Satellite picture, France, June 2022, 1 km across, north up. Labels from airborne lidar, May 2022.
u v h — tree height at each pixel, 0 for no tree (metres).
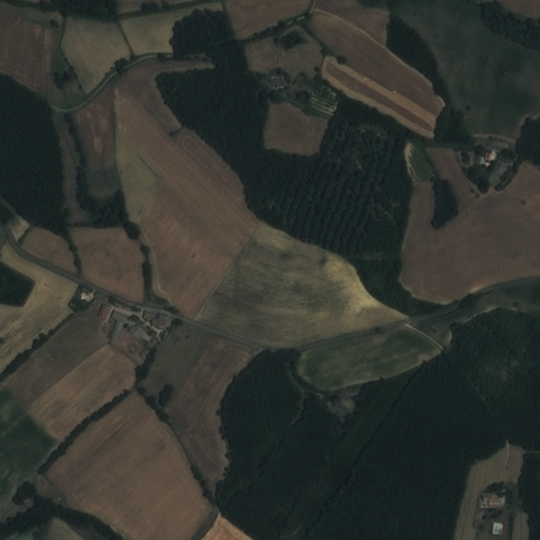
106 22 0
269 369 16
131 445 0
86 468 0
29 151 18
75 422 0
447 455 19
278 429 14
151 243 0
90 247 0
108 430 0
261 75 19
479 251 0
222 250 0
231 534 0
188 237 0
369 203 18
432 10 0
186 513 0
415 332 0
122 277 0
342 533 16
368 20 0
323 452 17
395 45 9
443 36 0
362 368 0
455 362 11
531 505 18
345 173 22
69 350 0
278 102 14
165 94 14
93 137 0
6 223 13
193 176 0
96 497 0
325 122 0
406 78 0
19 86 19
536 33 11
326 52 7
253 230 0
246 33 0
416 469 16
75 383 0
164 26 0
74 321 0
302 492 13
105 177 0
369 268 10
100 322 0
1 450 0
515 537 0
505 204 0
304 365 0
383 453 18
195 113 13
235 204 0
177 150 0
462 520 0
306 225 15
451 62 0
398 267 15
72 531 0
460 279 0
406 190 13
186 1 0
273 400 14
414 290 0
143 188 0
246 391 17
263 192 13
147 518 0
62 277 0
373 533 16
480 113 0
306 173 18
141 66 0
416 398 15
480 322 12
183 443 0
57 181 21
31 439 0
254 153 14
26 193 19
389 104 0
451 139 6
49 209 22
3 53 0
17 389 0
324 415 22
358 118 10
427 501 14
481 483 0
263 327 0
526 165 0
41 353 0
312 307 0
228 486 15
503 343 15
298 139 0
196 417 0
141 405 0
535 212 0
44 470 14
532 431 15
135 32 0
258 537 12
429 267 0
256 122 16
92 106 0
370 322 0
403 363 0
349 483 18
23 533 20
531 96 0
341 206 20
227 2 0
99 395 0
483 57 0
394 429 18
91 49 0
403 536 14
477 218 0
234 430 13
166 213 0
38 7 7
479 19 0
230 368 0
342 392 10
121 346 0
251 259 0
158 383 0
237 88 14
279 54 0
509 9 0
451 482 16
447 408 16
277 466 15
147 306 0
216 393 0
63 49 0
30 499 14
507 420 14
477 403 16
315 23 0
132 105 0
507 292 0
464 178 0
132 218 0
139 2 0
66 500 0
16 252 0
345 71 0
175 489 0
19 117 17
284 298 0
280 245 0
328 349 0
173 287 0
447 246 0
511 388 11
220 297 0
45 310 0
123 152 0
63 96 0
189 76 15
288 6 0
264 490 15
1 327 0
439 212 16
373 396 20
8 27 0
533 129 20
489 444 17
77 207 0
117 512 0
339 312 0
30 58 0
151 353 8
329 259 0
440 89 17
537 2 0
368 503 16
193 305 0
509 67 0
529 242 0
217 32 15
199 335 0
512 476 0
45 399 0
